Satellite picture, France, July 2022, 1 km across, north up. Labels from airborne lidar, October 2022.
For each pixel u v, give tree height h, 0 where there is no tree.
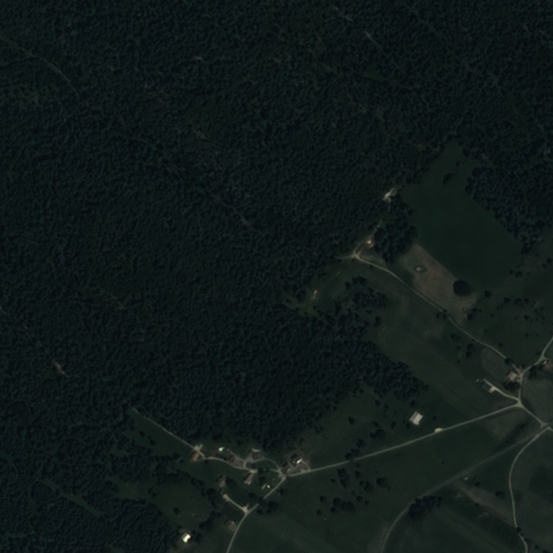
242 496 0
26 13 22
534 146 8
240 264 15
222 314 13
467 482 0
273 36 23
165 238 17
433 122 8
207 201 36
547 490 0
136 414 0
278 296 23
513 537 0
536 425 0
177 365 21
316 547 0
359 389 12
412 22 16
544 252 0
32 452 21
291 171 24
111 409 10
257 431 18
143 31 23
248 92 19
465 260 0
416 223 0
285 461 0
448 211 0
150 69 24
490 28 17
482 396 0
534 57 10
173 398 21
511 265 0
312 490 0
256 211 7
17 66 19
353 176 16
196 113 18
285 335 23
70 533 25
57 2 34
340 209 15
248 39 20
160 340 14
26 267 22
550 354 0
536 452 0
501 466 0
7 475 24
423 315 0
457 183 0
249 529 0
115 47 30
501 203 32
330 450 0
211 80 26
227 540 0
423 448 0
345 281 0
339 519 0
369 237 0
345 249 6
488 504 0
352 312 15
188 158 16
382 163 17
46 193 16
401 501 0
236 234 23
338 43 6
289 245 22
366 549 0
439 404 0
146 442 0
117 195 18
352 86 18
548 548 0
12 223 25
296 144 24
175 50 22
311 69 6
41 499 15
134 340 18
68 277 9
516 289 0
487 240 0
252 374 29
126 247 18
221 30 15
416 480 0
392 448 0
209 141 18
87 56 23
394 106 23
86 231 21
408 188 0
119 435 20
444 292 0
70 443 22
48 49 12
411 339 0
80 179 26
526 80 20
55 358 20
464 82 11
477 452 0
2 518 18
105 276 20
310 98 14
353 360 31
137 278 15
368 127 15
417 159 14
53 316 19
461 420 0
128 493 0
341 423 0
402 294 0
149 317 16
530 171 7
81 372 21
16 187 14
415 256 0
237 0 22
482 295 0
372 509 0
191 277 8
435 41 21
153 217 19
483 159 28
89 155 32
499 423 0
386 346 0
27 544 20
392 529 0
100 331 22
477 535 0
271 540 0
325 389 7
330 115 19
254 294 19
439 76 8
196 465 0
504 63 24
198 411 25
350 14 27
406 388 26
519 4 24
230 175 25
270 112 29
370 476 0
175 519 0
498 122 10
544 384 0
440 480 0
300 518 0
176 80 26
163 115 20
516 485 0
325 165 22
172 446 0
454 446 0
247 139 19
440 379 0
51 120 28
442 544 0
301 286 24
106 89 27
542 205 10
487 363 0
